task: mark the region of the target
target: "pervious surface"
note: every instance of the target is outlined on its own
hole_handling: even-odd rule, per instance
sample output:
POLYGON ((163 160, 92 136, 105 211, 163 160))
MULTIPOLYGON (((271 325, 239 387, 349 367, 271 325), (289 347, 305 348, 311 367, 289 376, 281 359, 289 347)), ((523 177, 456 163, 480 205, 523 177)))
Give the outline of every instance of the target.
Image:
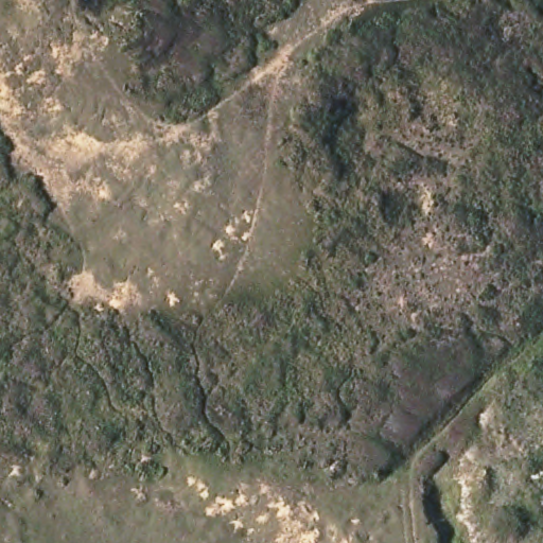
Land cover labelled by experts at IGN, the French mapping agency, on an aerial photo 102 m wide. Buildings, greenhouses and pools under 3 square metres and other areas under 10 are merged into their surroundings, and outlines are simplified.
POLYGON ((210 146, 218 140, 218 112, 212 108, 206 115, 191 112, 187 123, 176 125, 165 134, 165 142, 172 144, 178 138, 191 142, 195 151, 182 151, 182 159, 195 157, 197 163, 202 161, 202 157, 208 155, 210 146))
POLYGON ((144 148, 148 148, 144 136, 136 134, 132 140, 98 142, 87 134, 78 134, 72 125, 66 125, 64 138, 59 140, 30 138, 21 129, 19 115, 0 110, 0 136, 6 134, 8 138, 15 144, 13 165, 17 170, 23 168, 28 172, 38 174, 40 178, 45 182, 45 189, 57 204, 55 208, 62 212, 70 210, 72 193, 91 193, 93 197, 98 197, 100 189, 106 187, 106 182, 93 172, 87 172, 81 180, 70 180, 72 170, 98 157, 100 153, 123 155, 125 159, 134 161, 144 148))
POLYGON ((257 66, 250 76, 255 85, 259 85, 269 74, 282 76, 288 68, 288 57, 295 49, 329 30, 344 15, 356 19, 363 11, 367 11, 373 4, 373 0, 305 0, 295 15, 269 28, 269 36, 278 40, 280 49, 269 64, 257 66))

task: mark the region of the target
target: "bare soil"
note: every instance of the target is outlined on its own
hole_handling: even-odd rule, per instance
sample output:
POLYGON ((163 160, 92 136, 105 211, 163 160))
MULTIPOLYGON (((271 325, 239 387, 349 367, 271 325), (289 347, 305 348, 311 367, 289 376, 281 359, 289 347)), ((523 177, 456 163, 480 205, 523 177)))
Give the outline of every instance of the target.
POLYGON ((288 507, 282 501, 282 494, 276 486, 267 486, 261 479, 255 479, 250 484, 240 484, 238 498, 216 498, 206 509, 208 515, 223 513, 229 524, 233 524, 233 528, 246 530, 244 543, 352 543, 344 537, 344 532, 337 528, 335 520, 329 513, 318 513, 305 501, 299 501, 297 505, 288 507))
POLYGON ((127 303, 140 305, 142 310, 165 310, 168 305, 176 305, 178 301, 174 291, 178 288, 182 278, 182 263, 197 263, 195 246, 189 244, 180 233, 185 227, 189 202, 197 195, 197 191, 210 187, 212 180, 210 176, 204 176, 199 180, 195 178, 197 163, 195 157, 182 159, 182 151, 195 151, 191 142, 178 138, 172 144, 165 142, 165 134, 176 125, 148 117, 132 102, 129 93, 125 91, 125 83, 138 87, 142 83, 138 72, 138 53, 123 49, 127 45, 127 30, 134 30, 138 25, 140 13, 132 8, 127 2, 112 11, 104 11, 106 0, 0 0, 0 110, 19 115, 21 129, 30 138, 59 140, 64 138, 66 125, 72 125, 78 134, 87 134, 98 142, 132 140, 136 134, 144 136, 148 148, 144 148, 134 161, 125 159, 123 155, 100 153, 98 157, 72 170, 70 180, 81 180, 87 172, 93 172, 106 182, 106 187, 100 189, 98 197, 93 197, 91 193, 72 193, 70 210, 62 212, 64 227, 72 235, 85 231, 87 235, 87 248, 83 248, 83 272, 70 278, 74 291, 72 303, 83 303, 87 297, 91 297, 95 301, 98 318, 102 320, 106 320, 106 312, 110 308, 119 310, 127 303))
POLYGON ((467 242, 467 246, 471 246, 475 235, 458 231, 456 216, 441 212, 433 204, 433 197, 437 193, 443 193, 445 187, 452 187, 452 195, 448 197, 448 202, 458 202, 460 165, 465 163, 465 157, 471 155, 475 144, 490 136, 490 127, 486 125, 486 110, 492 108, 496 95, 492 93, 492 89, 488 89, 486 95, 479 98, 475 87, 452 85, 441 76, 435 76, 428 68, 422 68, 418 76, 422 81, 422 91, 426 93, 426 104, 418 104, 411 108, 401 108, 401 125, 392 129, 392 140, 411 146, 420 155, 441 157, 448 161, 445 176, 433 174, 428 178, 422 178, 414 172, 403 172, 401 180, 397 180, 390 187, 390 191, 401 191, 407 202, 422 206, 422 210, 416 214, 416 223, 403 229, 401 240, 397 244, 390 244, 388 248, 388 267, 380 267, 378 263, 369 265, 365 272, 365 288, 354 288, 348 297, 354 308, 352 318, 363 320, 365 325, 373 327, 373 331, 378 331, 378 350, 382 352, 392 344, 399 331, 424 329, 422 320, 426 316, 443 329, 458 331, 462 327, 460 314, 469 314, 473 297, 481 295, 488 284, 494 286, 501 282, 498 272, 479 269, 479 261, 492 257, 494 250, 486 246, 479 252, 460 255, 460 240, 467 242))
POLYGON ((479 460, 475 458, 475 448, 469 448, 458 460, 460 513, 456 518, 460 526, 467 528, 467 543, 479 543, 479 530, 475 528, 475 522, 471 518, 471 492, 484 488, 486 471, 479 467, 479 460))

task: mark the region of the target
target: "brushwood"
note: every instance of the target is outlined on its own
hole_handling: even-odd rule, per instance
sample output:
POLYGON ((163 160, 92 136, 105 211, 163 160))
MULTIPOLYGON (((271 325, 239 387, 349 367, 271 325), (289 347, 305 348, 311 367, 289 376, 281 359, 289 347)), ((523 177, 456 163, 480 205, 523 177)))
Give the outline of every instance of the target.
POLYGON ((515 539, 524 543, 543 543, 543 507, 535 513, 528 513, 522 505, 515 509, 520 522, 515 539))
POLYGON ((437 481, 424 479, 422 507, 426 522, 437 532, 437 543, 452 543, 454 524, 441 509, 441 494, 437 481))
POLYGON ((8 138, 2 146, 4 174, 6 178, 15 180, 17 170, 13 165, 15 144, 8 138))
POLYGON ((460 240, 460 255, 479 252, 486 246, 494 250, 492 257, 479 261, 479 269, 498 272, 501 282, 494 286, 488 284, 481 295, 473 297, 469 314, 460 314, 462 327, 458 331, 443 329, 426 316, 422 320, 424 329, 399 331, 392 344, 382 352, 380 363, 375 365, 375 378, 369 378, 367 384, 361 382, 363 388, 356 390, 354 397, 356 405, 363 407, 367 433, 382 435, 386 439, 382 450, 386 452, 388 460, 378 473, 384 479, 390 477, 397 469, 405 467, 414 452, 424 441, 428 441, 439 426, 443 426, 452 416, 456 416, 458 407, 469 397, 473 397, 473 392, 479 390, 481 384, 498 369, 507 373, 507 382, 515 380, 518 375, 524 378, 532 371, 537 380, 537 392, 532 392, 530 397, 535 401, 543 399, 543 0, 373 0, 373 4, 367 11, 363 11, 356 19, 344 15, 329 30, 327 45, 316 51, 314 81, 320 87, 320 104, 308 104, 305 100, 301 100, 303 115, 299 117, 299 127, 305 134, 310 134, 316 142, 327 146, 327 155, 333 165, 333 176, 337 180, 344 180, 346 174, 354 170, 354 159, 363 161, 363 168, 369 170, 375 165, 373 155, 365 151, 365 127, 358 121, 358 115, 367 108, 365 100, 369 95, 375 98, 378 106, 386 104, 386 98, 397 100, 405 95, 411 108, 418 104, 426 104, 426 93, 422 91, 422 81, 418 76, 422 68, 428 68, 435 76, 441 76, 452 85, 475 87, 479 98, 486 95, 488 89, 492 89, 492 93, 496 95, 492 108, 486 110, 486 125, 490 127, 490 136, 475 144, 471 155, 465 157, 465 163, 460 165, 458 202, 448 202, 448 197, 452 195, 452 187, 445 187, 443 193, 437 193, 433 197, 433 204, 441 212, 456 216, 458 231, 475 235, 471 246, 467 246, 467 242, 460 240))
POLYGON ((401 191, 390 191, 384 191, 380 195, 380 214, 390 227, 395 225, 403 229, 416 223, 416 214, 422 210, 422 206, 407 202, 401 191))
POLYGON ((40 223, 49 221, 55 208, 57 204, 45 189, 45 182, 40 178, 36 180, 34 191, 38 202, 42 204, 40 223))
POLYGON ((305 0, 106 0, 104 11, 112 11, 127 2, 132 8, 140 13, 138 25, 134 30, 127 30, 127 45, 123 49, 138 53, 138 72, 142 83, 138 87, 125 83, 125 91, 129 93, 132 102, 148 117, 176 125, 187 123, 191 112, 206 115, 212 108, 227 93, 231 93, 244 78, 250 76, 257 66, 269 64, 280 49, 278 40, 269 36, 269 28, 295 15, 305 0))
POLYGON ((448 161, 441 157, 420 155, 411 146, 392 140, 390 144, 399 146, 399 159, 392 163, 390 170, 397 180, 401 180, 403 172, 414 172, 422 178, 428 178, 433 174, 445 176, 448 161))

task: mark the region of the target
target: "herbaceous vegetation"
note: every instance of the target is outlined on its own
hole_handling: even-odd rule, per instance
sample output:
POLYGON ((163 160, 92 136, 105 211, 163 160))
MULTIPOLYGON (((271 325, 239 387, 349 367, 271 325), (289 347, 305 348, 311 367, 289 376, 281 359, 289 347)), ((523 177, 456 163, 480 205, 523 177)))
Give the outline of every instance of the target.
POLYGON ((308 104, 320 104, 320 87, 314 81, 316 51, 327 45, 329 30, 295 49, 288 57, 288 68, 282 76, 269 74, 259 85, 255 85, 250 76, 244 78, 231 93, 227 93, 212 108, 218 112, 218 140, 210 146, 208 155, 202 157, 202 161, 197 163, 195 178, 199 180, 204 176, 210 176, 212 180, 210 187, 197 191, 197 195, 189 202, 185 227, 180 233, 189 244, 195 246, 197 263, 182 263, 182 278, 178 288, 174 291, 178 301, 176 305, 168 305, 165 310, 142 310, 140 305, 127 303, 119 310, 110 308, 106 312, 106 320, 102 320, 98 318, 95 301, 91 297, 87 297, 83 303, 72 303, 74 291, 70 278, 83 272, 83 248, 87 248, 87 235, 85 231, 72 235, 64 227, 62 212, 55 208, 49 221, 40 223, 42 204, 38 202, 34 191, 36 180, 40 178, 38 174, 28 172, 23 168, 17 170, 15 180, 6 178, 4 174, 2 146, 8 138, 6 134, 0 136, 0 543, 244 543, 246 530, 233 528, 233 524, 229 524, 223 513, 208 515, 206 509, 216 498, 238 498, 240 484, 250 484, 255 479, 261 479, 267 486, 276 486, 282 494, 282 501, 288 507, 297 505, 299 501, 305 501, 318 513, 329 513, 335 520, 337 528, 344 532, 344 537, 352 543, 437 543, 437 532, 426 522, 422 507, 424 479, 437 481, 441 494, 441 509, 454 524, 452 543, 467 543, 467 528, 460 526, 456 518, 460 513, 458 460, 469 448, 475 448, 475 458, 479 460, 479 467, 486 471, 484 488, 471 492, 471 518, 475 522, 475 528, 479 530, 479 543, 524 543, 515 539, 520 522, 515 509, 522 505, 528 513, 535 513, 543 507, 543 399, 535 401, 530 397, 532 392, 537 392, 537 380, 532 371, 524 378, 518 375, 515 380, 507 382, 507 373, 498 369, 481 384, 479 390, 473 392, 473 397, 469 397, 458 407, 456 416, 452 416, 443 426, 439 426, 428 441, 424 441, 414 452, 405 467, 397 469, 390 477, 384 479, 378 473, 388 460, 386 452, 382 450, 386 439, 382 435, 367 433, 363 407, 356 405, 354 397, 356 390, 363 388, 361 382, 367 384, 369 378, 375 378, 375 365, 380 363, 382 352, 378 350, 378 331, 373 331, 373 327, 365 325, 363 320, 352 318, 354 308, 348 297, 354 288, 365 288, 365 272, 369 265, 378 263, 380 267, 388 267, 388 248, 390 244, 397 244, 401 240, 403 229, 395 225, 390 227, 380 214, 380 195, 384 191, 390 191, 390 187, 397 180, 390 170, 392 163, 399 159, 399 146, 390 144, 392 140, 392 129, 401 125, 401 108, 411 108, 405 95, 397 100, 386 98, 386 104, 378 106, 375 98, 369 95, 365 100, 367 108, 358 115, 358 121, 365 127, 365 151, 373 155, 375 165, 369 170, 363 168, 363 161, 354 159, 354 170, 346 174, 344 180, 337 180, 333 176, 333 165, 327 155, 327 146, 316 142, 310 134, 305 134, 299 127, 299 117, 303 115, 301 100, 305 100, 308 104))

